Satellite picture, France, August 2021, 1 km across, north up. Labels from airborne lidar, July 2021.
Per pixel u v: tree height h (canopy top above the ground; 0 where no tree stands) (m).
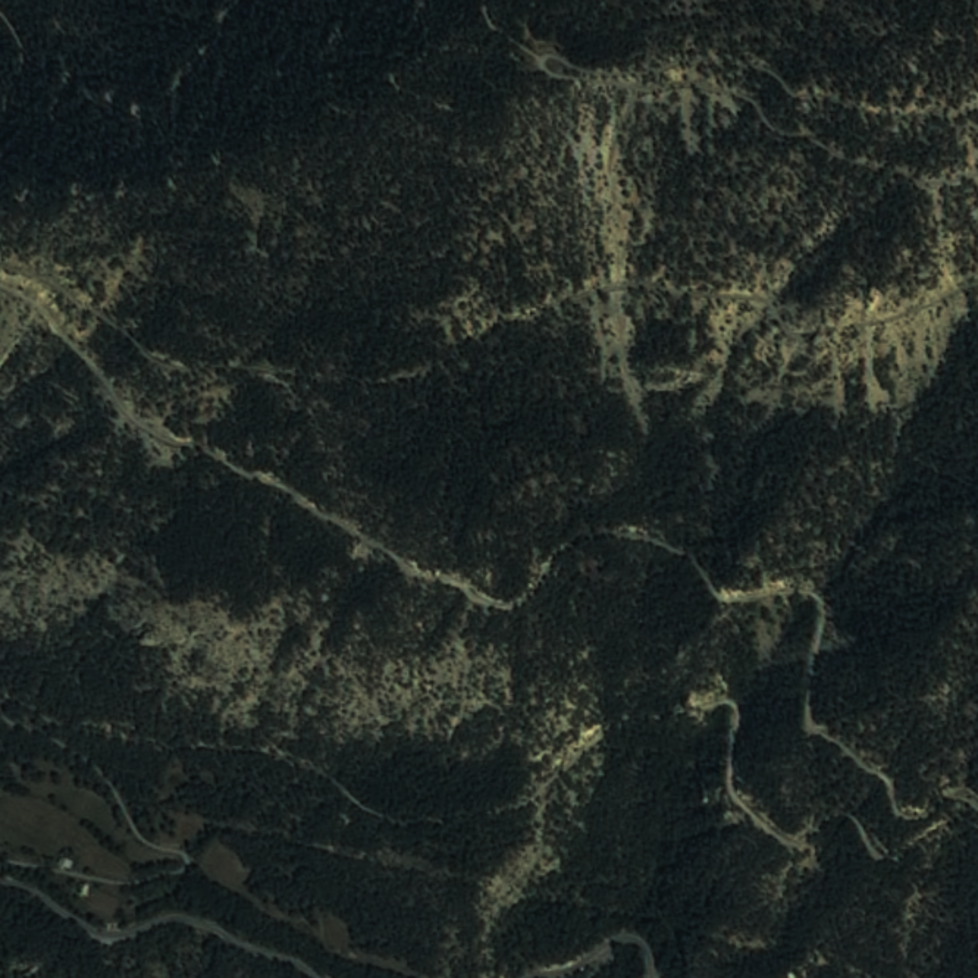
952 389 12
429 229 14
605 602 14
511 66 9
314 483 9
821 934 7
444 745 8
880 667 10
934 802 8
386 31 11
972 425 11
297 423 10
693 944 7
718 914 10
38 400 10
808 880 7
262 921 8
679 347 15
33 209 7
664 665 9
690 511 14
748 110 13
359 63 9
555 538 11
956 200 6
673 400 15
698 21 9
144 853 0
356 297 9
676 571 11
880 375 8
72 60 7
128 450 7
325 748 7
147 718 15
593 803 6
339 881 8
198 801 10
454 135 9
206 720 11
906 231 12
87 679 12
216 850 0
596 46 8
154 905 13
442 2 8
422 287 13
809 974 7
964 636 7
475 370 14
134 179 9
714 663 8
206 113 12
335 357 11
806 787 7
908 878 11
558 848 6
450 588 8
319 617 7
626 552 10
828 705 10
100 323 7
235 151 9
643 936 9
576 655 10
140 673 12
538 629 11
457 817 9
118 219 12
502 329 13
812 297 8
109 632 12
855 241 9
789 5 7
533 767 6
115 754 12
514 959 12
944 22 13
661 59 9
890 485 7
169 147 8
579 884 13
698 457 15
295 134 10
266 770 9
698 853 12
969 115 8
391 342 9
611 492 7
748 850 7
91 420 8
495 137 7
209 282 9
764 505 14
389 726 7
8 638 7
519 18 10
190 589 12
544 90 7
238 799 15
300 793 14
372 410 9
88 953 16
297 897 12
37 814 0
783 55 11
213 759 17
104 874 0
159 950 11
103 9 11
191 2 8
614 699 7
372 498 7
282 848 13
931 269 8
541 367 13
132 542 10
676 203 9
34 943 20
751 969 7
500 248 8
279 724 7
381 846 7
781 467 11
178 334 8
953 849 10
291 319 11
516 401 15
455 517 17
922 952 13
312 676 8
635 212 9
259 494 10
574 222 8
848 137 10
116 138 10
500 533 9
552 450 15
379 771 10
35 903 11
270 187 10
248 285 9
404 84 9
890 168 8
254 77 11
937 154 8
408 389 13
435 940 7
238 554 10
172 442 0
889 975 10
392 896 6
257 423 9
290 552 8
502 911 11
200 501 11
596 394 12
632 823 8
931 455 8
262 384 11
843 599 10
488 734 5
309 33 11
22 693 11
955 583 8
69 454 10
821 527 10
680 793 13
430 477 6
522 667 9
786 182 11
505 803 8
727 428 10
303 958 11
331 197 10
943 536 7
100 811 0
